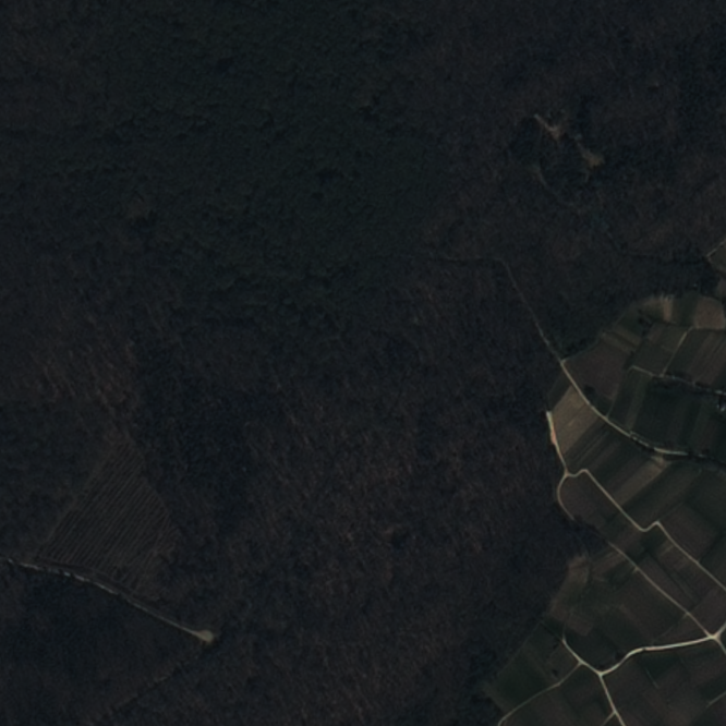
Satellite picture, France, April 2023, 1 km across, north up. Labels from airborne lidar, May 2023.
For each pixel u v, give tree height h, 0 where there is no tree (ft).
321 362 78
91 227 95
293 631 63
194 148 82
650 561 0
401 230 73
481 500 87
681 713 0
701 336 0
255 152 85
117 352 83
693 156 62
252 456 75
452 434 65
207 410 63
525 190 78
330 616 75
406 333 36
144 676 40
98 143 88
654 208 60
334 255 81
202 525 80
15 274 94
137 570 0
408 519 80
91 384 89
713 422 0
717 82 86
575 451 0
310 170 77
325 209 84
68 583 27
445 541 69
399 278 72
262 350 82
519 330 70
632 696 0
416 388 73
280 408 66
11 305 96
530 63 66
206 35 68
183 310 19
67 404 82
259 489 72
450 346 73
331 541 63
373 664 59
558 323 71
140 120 70
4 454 104
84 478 89
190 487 78
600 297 86
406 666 78
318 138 85
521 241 77
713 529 0
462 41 63
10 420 97
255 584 68
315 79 76
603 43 79
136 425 57
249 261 70
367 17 91
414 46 90
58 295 82
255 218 50
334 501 69
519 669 0
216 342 89
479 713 54
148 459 23
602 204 57
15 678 43
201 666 50
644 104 62
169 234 89
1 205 98
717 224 77
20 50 93
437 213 73
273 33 91
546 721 0
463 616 79
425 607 79
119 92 99
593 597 0
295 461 67
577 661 0
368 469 78
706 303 0
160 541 0
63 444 91
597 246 67
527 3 64
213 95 85
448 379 76
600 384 0
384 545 72
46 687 45
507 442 74
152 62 89
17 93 88
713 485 0
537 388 59
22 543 81
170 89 88
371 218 72
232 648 58
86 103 79
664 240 55
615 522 0
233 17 83
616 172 41
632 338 0
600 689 0
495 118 53
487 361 61
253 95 89
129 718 47
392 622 56
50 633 35
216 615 60
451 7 87
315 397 68
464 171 72
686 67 78
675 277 43
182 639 41
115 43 84
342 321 55
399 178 77
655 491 0
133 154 99
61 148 79
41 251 98
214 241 65
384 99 81
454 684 77
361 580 62
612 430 0
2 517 70
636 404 0
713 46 80
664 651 0
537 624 61
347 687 61
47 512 73
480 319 62
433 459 62
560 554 72
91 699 38
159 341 86
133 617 42
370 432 75
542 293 71
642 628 0
